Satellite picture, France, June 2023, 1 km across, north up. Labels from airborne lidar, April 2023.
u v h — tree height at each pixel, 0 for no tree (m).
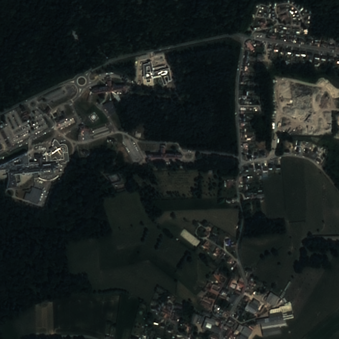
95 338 0
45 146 0
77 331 0
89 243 0
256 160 0
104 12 24
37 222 25
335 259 0
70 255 0
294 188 0
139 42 23
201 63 22
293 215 0
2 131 0
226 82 20
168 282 0
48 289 25
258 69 18
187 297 0
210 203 0
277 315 0
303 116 0
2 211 22
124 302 0
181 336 0
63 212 23
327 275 0
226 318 0
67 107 0
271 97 13
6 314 25
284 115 0
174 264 0
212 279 0
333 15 25
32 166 0
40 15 21
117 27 26
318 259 20
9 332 0
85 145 0
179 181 0
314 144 0
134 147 0
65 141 0
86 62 19
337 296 0
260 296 0
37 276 27
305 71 14
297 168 0
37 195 0
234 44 0
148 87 17
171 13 24
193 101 17
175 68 21
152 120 24
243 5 22
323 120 0
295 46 0
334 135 0
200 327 0
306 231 0
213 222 0
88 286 19
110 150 15
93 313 0
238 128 0
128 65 20
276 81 0
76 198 27
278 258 0
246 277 0
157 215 22
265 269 0
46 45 14
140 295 0
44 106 0
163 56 0
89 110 0
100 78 0
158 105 20
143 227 0
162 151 0
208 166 11
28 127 0
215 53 20
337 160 0
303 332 0
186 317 0
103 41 22
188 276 0
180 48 0
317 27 15
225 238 0
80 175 17
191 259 12
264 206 0
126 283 0
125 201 0
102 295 0
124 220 0
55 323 0
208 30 27
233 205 0
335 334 0
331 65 8
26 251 25
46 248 24
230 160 13
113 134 0
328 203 0
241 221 8
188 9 33
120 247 0
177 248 0
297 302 0
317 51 0
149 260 0
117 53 19
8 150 0
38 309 0
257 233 25
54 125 0
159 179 0
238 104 0
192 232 0
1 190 13
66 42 21
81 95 0
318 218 0
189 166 20
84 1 26
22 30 21
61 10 14
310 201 0
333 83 0
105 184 26
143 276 0
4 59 21
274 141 0
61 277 27
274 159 0
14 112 0
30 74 17
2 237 29
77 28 20
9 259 23
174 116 23
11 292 26
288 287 0
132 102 23
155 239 0
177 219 0
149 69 0
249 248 0
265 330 0
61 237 26
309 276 0
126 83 22
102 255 0
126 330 0
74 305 0
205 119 20
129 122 23
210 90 24
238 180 0
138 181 0
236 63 0
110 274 0
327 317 0
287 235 0
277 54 0
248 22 18
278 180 0
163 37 22
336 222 0
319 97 0
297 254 0
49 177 0
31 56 21
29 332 0
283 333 0
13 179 0
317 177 0
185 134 22
